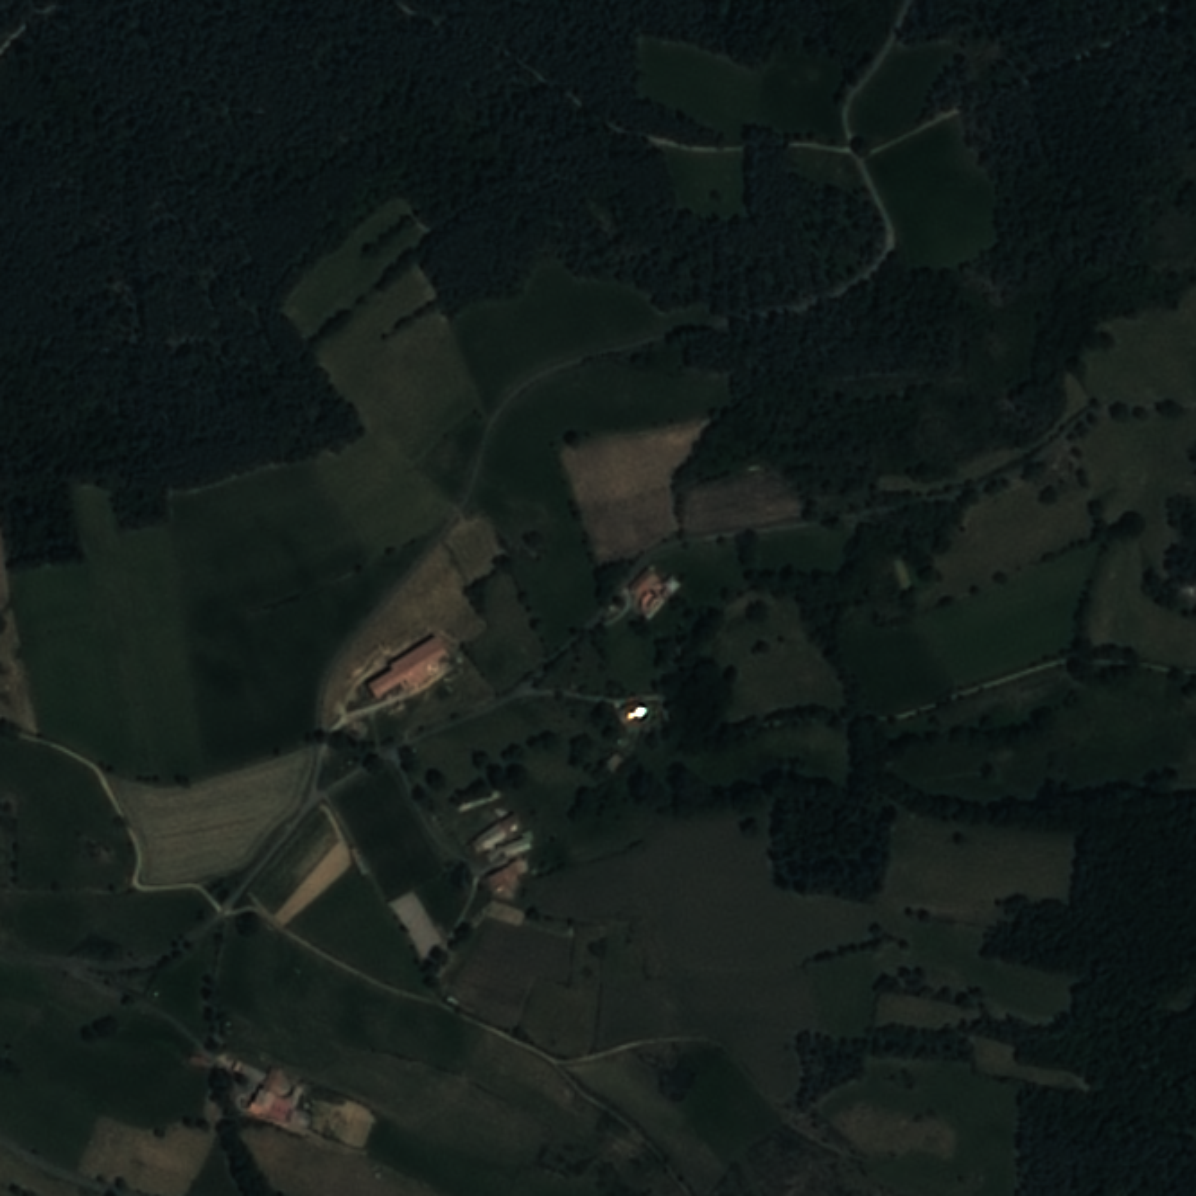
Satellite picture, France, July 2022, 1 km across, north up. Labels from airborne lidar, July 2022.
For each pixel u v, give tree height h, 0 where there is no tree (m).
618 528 0
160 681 0
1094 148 17
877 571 0
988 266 9
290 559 0
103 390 10
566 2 22
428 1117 0
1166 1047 9
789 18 20
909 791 17
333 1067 0
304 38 20
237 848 0
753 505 0
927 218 0
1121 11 15
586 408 0
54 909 0
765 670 0
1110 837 14
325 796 0
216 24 17
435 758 0
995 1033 9
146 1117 0
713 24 22
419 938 0
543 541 9
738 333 13
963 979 0
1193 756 0
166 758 0
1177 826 10
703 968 0
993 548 0
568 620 0
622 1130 0
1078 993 13
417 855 0
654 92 0
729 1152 0
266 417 18
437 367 0
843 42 17
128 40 17
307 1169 0
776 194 15
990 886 0
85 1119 0
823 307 13
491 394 0
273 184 14
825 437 10
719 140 16
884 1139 0
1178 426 0
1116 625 0
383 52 21
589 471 0
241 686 0
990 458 0
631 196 15
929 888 0
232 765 0
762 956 0
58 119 10
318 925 0
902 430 7
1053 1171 14
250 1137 0
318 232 14
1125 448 0
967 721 0
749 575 10
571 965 0
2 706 0
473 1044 0
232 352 15
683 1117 0
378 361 0
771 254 11
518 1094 0
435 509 0
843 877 26
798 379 12
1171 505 9
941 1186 0
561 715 0
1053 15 13
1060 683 0
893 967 0
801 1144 0
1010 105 16
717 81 0
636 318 0
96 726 0
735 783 0
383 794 0
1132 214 17
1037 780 0
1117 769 0
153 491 10
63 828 0
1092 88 16
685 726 12
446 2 24
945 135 0
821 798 19
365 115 14
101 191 11
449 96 18
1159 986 16
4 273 16
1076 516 0
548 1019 0
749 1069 0
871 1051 10
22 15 17
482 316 0
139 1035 0
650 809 27
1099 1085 16
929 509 13
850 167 0
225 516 0
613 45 19
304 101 16
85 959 0
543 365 0
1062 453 0
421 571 0
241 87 18
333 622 0
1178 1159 17
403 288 0
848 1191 0
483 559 0
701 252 13
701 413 0
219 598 0
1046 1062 8
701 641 10
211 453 19
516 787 14
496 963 0
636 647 0
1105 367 0
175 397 22
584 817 12
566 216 16
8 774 0
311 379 14
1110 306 10
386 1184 0
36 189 18
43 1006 0
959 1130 0
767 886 0
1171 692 0
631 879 0
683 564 0
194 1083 0
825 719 16
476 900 0
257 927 9
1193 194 10
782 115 0
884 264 8
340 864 0
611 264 10
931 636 0
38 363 14
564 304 0
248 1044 0
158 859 0
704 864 0
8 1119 0
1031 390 12
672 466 0
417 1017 0
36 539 7
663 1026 0
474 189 14
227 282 18
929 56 0
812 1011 0
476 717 0
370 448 0
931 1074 0
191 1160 0
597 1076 0
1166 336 0
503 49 17
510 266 18
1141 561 0
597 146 18
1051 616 0
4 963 0
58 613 0
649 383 0
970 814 19
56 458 10
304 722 0
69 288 15
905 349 14
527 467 0
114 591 0
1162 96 19
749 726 8
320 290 0
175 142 14
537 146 18
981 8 10
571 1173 0
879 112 0
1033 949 8
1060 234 14
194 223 17
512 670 0
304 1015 0
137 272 14
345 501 0
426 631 0
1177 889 11
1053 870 0
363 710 0
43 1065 0
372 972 0
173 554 0
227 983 0
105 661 0
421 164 13
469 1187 0
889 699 0
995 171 6
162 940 0
